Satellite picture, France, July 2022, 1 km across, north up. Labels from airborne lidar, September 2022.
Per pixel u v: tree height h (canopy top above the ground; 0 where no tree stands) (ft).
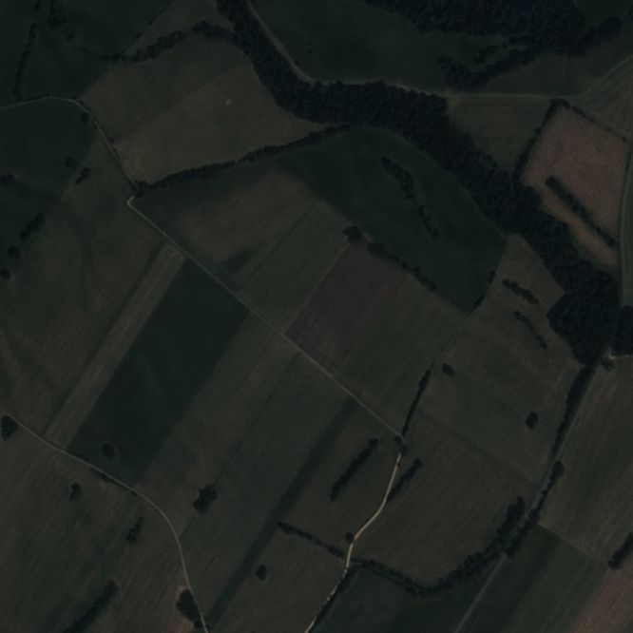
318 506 0
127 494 0
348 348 0
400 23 0
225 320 0
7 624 0
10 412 0
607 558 0
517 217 77
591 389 0
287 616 0
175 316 0
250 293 0
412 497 0
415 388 0
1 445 0
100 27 0
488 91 0
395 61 0
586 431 0
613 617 0
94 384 0
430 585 0
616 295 89
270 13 0
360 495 0
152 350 0
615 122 0
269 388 0
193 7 0
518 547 50
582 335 76
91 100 0
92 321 0
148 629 0
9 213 0
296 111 56
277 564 0
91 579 0
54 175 0
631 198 0
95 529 0
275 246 0
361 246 0
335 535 0
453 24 26
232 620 0
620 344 79
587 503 0
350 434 0
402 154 0
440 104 53
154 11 0
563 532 0
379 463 0
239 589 0
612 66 0
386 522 0
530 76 0
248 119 0
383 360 0
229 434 0
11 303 0
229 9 60
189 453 0
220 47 0
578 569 0
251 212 0
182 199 0
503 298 0
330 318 0
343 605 0
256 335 0
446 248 0
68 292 0
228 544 0
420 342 0
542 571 0
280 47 0
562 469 54
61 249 0
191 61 0
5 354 0
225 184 0
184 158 0
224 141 0
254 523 0
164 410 0
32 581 0
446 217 0
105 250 0
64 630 0
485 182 105
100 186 0
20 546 0
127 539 18
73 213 0
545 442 0
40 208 0
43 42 0
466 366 0
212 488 43
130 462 0
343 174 0
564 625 0
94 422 0
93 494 0
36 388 0
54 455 0
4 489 0
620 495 0
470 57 0
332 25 0
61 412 0
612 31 63
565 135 0
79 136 0
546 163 0
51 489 0
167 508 0
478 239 0
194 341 0
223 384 0
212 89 0
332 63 0
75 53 0
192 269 0
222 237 0
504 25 109
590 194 0
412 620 0
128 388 0
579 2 0
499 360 0
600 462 0
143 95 0
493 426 0
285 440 0
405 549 0
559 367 0
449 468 0
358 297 0
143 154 0
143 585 0
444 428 0
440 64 21
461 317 0
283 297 0
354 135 0
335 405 0
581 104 0
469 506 0
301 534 29
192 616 62
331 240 0
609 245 51
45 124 0
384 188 0
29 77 0
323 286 0
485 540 0
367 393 0
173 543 0
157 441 0
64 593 0
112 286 0
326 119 51
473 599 0
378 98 88
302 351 0
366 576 0
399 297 0
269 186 0
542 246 52
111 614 0
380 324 0
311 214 0
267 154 32
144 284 0
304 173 0
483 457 0
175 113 0
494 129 0
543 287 0
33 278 0
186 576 0
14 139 0
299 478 0
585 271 96
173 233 0
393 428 0
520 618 0
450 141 48
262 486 0
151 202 0
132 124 0
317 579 0
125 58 28
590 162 0
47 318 0
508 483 0
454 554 0
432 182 0
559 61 0
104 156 0
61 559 0
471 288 0
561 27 82
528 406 0
